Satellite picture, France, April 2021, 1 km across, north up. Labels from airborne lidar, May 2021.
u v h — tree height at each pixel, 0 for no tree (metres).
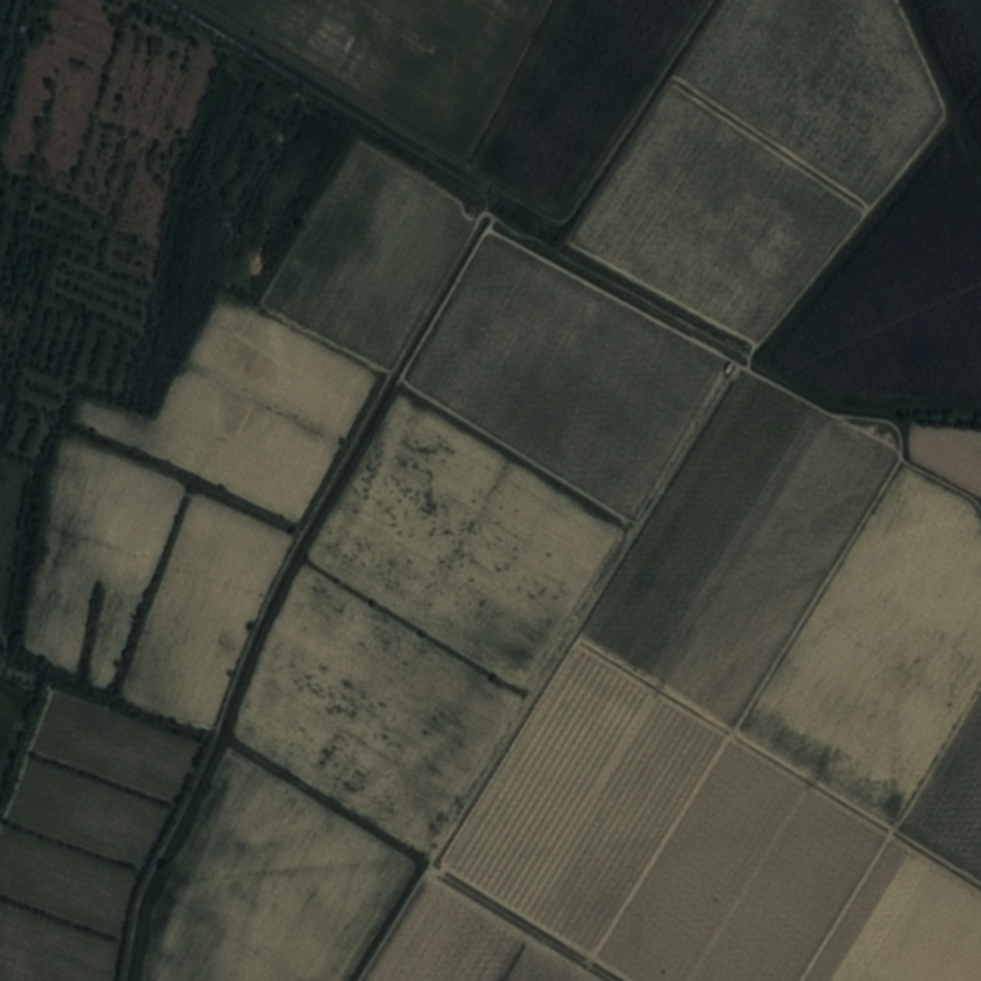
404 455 0
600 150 0
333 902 0
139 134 13
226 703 0
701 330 0
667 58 0
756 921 0
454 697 0
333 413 0
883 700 0
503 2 0
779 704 0
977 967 0
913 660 0
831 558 0
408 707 0
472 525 0
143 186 0
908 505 0
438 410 0
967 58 7
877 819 0
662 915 0
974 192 9
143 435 0
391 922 0
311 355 0
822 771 0
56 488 0
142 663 0
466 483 0
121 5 7
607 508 0
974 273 8
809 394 0
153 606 0
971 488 0
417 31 0
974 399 8
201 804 0
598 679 0
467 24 0
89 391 7
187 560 0
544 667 0
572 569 0
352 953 0
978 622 0
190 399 0
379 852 0
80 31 0
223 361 0
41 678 8
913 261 8
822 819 0
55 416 7
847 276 8
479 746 0
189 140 6
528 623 0
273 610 0
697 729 0
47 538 0
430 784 0
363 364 0
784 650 0
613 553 0
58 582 0
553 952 0
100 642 0
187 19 8
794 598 0
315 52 0
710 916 0
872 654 0
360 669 0
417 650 0
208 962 0
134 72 0
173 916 0
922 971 0
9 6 7
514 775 0
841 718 0
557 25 0
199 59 0
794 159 0
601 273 0
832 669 0
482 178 0
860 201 0
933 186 9
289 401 0
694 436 0
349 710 0
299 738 0
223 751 0
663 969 0
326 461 0
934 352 8
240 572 0
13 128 0
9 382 7
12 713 0
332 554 0
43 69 0
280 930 0
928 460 0
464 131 0
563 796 0
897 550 0
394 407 0
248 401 0
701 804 0
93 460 0
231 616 0
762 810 0
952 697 0
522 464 0
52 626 0
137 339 7
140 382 7
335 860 0
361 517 0
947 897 0
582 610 0
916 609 0
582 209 0
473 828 0
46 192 7
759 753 0
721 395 0
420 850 0
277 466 0
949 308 8
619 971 0
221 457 0
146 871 9
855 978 0
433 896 0
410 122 0
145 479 0
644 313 0
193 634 0
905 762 0
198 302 9
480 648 0
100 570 0
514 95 0
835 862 0
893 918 0
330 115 7
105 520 0
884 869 0
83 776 10
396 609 0
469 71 0
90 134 6
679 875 0
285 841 0
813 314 7
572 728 0
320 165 8
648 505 0
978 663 0
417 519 0
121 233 8
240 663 0
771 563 0
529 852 0
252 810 0
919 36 0
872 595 0
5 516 0
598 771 0
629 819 0
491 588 0
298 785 0
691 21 0
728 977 0
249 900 0
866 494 0
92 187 10
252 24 0
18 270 9
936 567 0
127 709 7
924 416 9
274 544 0
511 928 0
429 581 0
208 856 0
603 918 0
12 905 10
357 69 0
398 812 0
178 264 6
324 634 0
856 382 7
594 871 0
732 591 0
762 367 0
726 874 0
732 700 0
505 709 0
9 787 10
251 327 0
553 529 0
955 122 0
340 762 0
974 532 0
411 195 0
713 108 0
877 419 0
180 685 0
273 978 0
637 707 0
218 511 0
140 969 0
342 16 0
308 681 0
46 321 7
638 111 0
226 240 6
